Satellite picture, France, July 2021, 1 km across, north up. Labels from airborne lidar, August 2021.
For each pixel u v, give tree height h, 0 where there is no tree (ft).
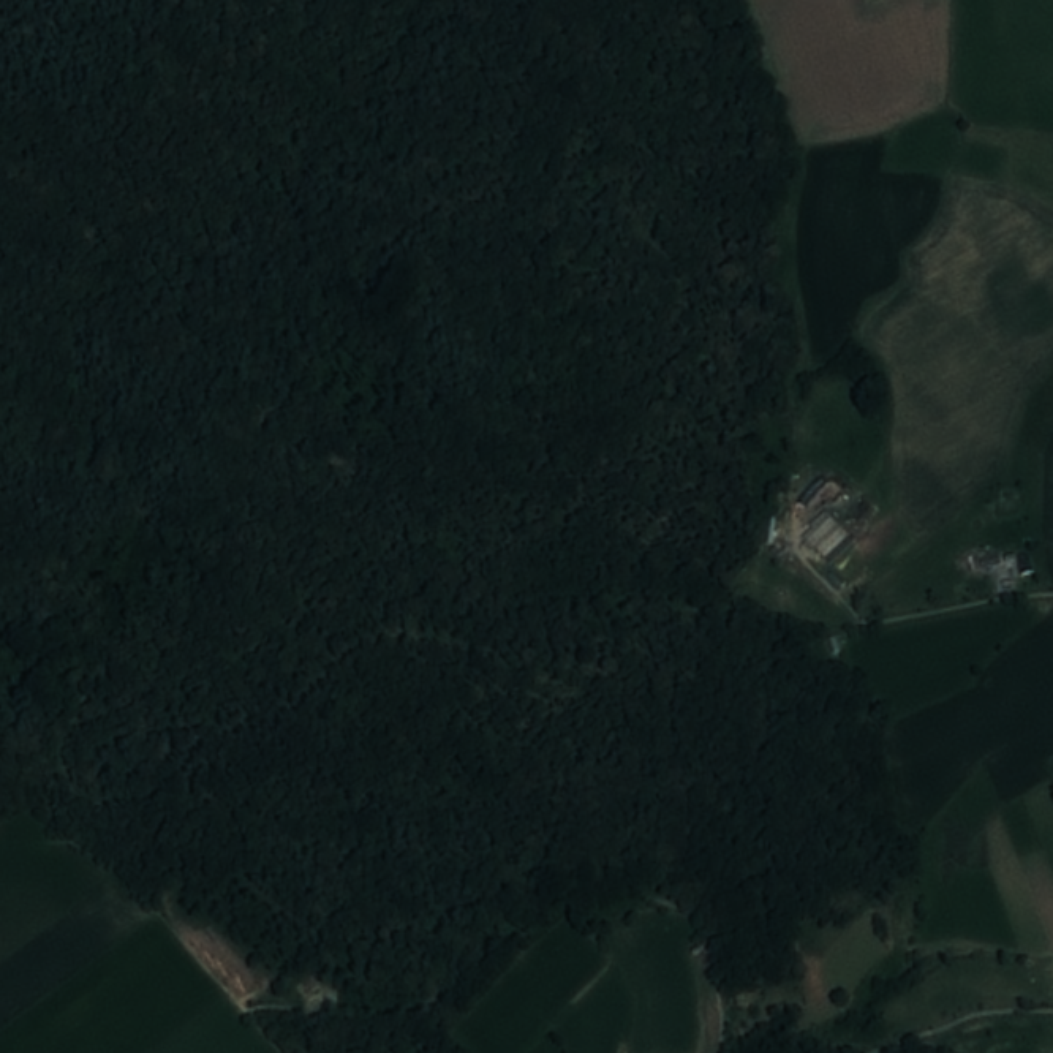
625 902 47
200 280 55
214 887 26
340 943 80
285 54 65
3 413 33
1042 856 0
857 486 0
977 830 0
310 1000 0
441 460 92
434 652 64
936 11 0
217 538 66
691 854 76
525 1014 0
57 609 63
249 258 64
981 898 0
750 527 74
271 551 75
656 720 71
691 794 64
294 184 71
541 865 60
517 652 68
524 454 78
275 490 68
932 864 0
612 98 91
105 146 63
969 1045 0
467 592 73
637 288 69
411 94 55
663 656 71
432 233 56
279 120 70
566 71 71
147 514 60
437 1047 78
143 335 60
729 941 80
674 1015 0
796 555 0
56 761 66
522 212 56
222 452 66
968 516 0
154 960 0
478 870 75
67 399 53
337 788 60
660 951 0
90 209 63
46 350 41
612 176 74
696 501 70
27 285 67
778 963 82
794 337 79
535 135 78
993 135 0
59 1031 0
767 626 73
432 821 79
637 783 61
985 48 0
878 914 23
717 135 80
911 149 0
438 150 70
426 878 81
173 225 73
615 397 65
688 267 74
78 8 68
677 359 73
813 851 77
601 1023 0
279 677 72
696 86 83
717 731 76
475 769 80
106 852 56
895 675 0
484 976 76
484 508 70
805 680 59
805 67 0
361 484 60
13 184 55
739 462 78
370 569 63
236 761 66
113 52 79
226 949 0
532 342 69
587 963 0
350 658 39
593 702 77
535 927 69
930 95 0
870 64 0
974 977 0
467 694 72
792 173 91
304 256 61
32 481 68
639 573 75
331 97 53
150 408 46
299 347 35
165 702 86
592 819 68
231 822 42
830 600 0
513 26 61
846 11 0
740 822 90
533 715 67
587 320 52
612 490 78
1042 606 0
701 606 73
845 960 0
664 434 76
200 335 50
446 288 67
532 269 53
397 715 31
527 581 84
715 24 81
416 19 80
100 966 0
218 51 76
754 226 97
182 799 66
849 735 106
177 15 47
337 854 63
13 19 85
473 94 69
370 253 55
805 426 0
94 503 80
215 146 58
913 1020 0
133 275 69
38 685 85
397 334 83
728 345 78
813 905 90
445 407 89
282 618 49
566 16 64
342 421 47
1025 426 0
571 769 64
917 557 0
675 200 69
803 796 85
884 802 46
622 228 69
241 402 55
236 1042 0
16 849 0
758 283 83
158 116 68
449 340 80
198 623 75
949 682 0
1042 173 0
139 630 65
